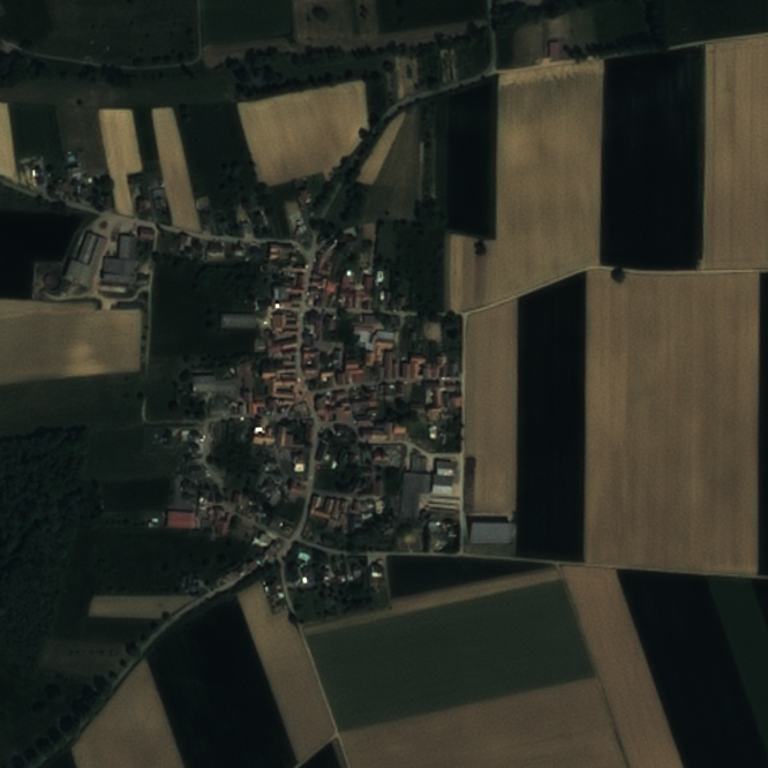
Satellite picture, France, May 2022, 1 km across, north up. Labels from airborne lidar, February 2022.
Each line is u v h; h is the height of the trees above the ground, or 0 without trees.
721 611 0
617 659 0
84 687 0
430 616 0
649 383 0
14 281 0
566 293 0
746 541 0
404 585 0
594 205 0
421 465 0
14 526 15
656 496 0
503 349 0
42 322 0
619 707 0
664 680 0
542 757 0
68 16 0
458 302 0
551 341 0
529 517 0
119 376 0
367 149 12
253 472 9
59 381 0
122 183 0
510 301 0
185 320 0
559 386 0
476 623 0
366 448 9
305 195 11
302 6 0
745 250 0
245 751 0
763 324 0
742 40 0
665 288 0
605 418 0
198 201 0
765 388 0
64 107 0
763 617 0
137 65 10
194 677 0
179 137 0
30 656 12
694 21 0
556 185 0
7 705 0
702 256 0
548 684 0
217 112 0
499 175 0
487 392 0
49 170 9
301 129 0
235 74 0
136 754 0
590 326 0
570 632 0
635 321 0
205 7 0
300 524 0
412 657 0
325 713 0
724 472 0
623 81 0
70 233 0
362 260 0
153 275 0
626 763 0
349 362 0
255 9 0
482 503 0
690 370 0
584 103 0
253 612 0
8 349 0
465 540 0
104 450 0
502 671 0
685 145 0
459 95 0
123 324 0
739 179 0
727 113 0
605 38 0
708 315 0
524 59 0
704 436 0
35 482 10
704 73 0
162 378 0
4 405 0
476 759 0
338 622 0
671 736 0
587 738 0
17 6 0
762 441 0
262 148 0
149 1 0
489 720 0
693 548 0
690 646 0
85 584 0
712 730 0
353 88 0
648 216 0
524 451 0
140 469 0
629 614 0
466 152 0
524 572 0
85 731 0
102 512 15
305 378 0
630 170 0
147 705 0
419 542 0
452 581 0
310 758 0
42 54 0
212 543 0
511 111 0
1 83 10
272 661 0
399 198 0
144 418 0
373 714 0
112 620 0
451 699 0
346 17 0
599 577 0
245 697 0
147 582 0
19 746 0
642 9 0
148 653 0
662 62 0
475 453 0
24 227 0
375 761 0
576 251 0
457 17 0
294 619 11
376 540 0
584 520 0
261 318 0
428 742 0
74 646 0
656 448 0
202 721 0
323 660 0
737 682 0
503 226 0
